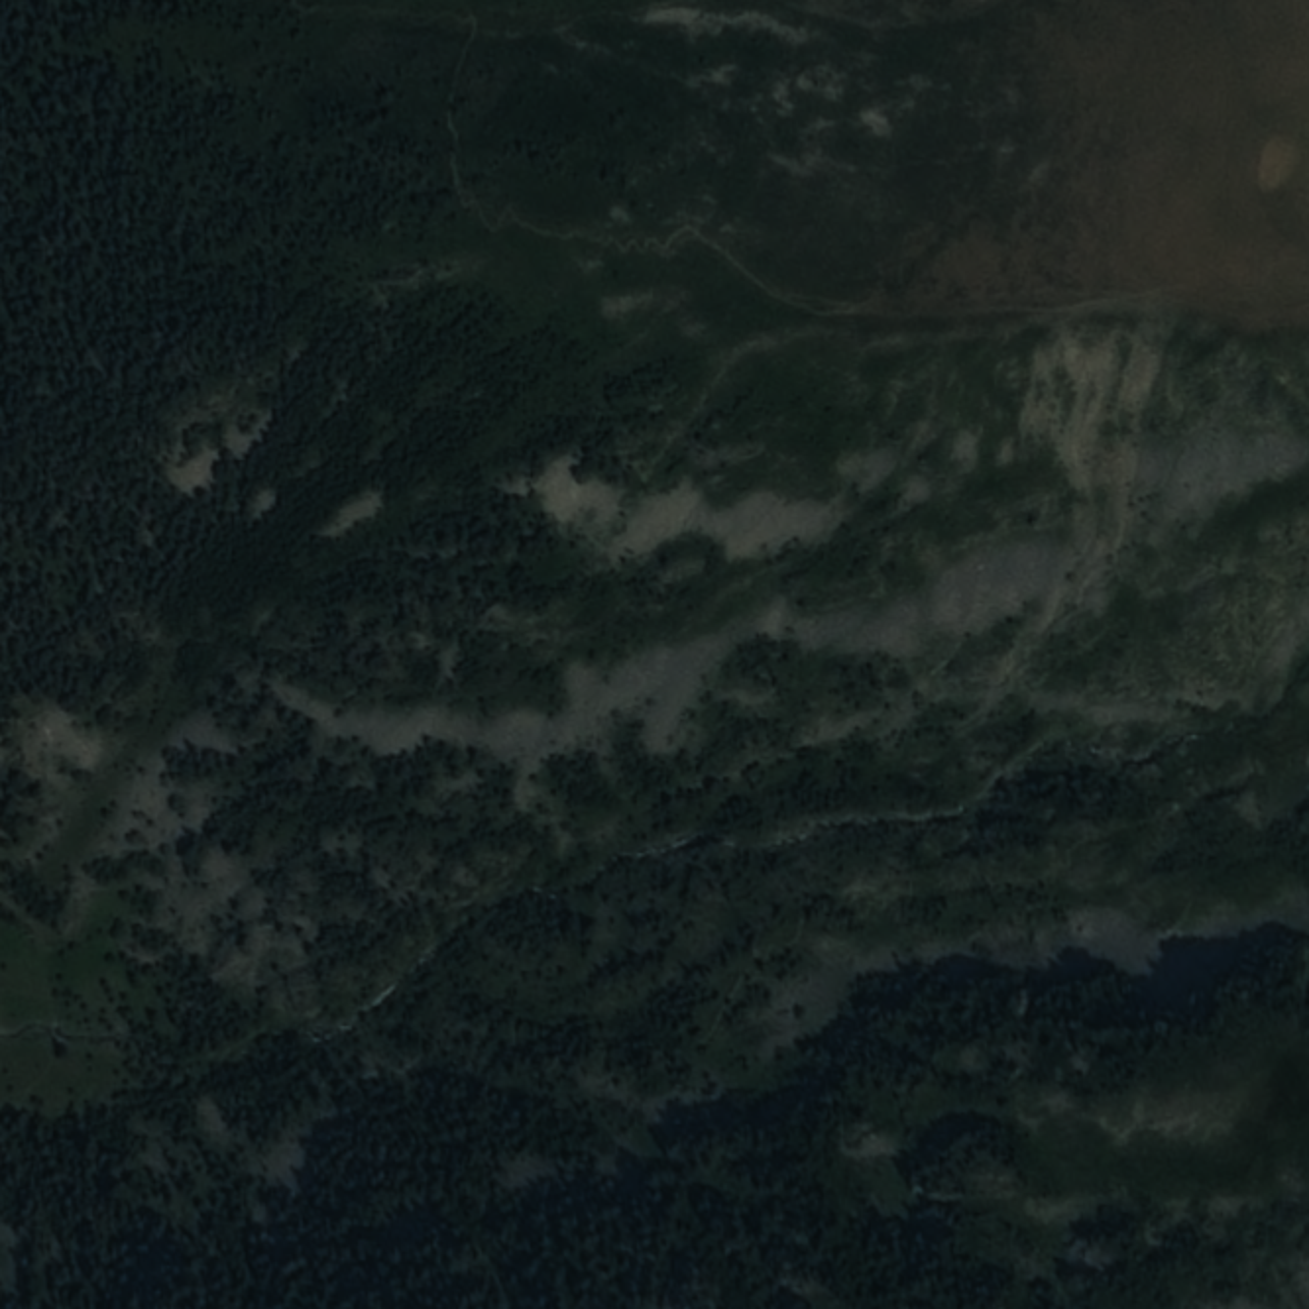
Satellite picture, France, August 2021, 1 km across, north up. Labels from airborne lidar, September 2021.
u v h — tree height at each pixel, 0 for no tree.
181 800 7
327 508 8
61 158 9
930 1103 0
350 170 6
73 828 0
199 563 16
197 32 0
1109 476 0
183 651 9
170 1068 8
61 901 12
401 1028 7
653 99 0
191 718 0
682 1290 6
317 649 11
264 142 0
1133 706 0
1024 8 0
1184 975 0
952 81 0
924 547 0
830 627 0
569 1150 7
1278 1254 0
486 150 0
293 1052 8
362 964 7
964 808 0
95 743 0
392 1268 6
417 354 9
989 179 0
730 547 0
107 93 15
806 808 7
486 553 13
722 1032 0
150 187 7
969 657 0
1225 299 0
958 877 0
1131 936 0
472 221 0
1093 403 0
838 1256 10
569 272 0
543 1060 8
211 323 11
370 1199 11
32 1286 19
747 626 0
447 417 7
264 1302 13
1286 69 0
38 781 7
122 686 7
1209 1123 0
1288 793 0
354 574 8
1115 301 0
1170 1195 0
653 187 0
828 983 0
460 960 9
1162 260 0
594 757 7
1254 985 8
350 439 8
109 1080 0
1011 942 0
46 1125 10
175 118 10
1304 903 0
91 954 0
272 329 9
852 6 0
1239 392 0
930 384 0
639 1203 12
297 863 0
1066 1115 0
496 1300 10
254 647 6
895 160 0
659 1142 0
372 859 13
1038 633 0
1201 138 0
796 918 0
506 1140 7
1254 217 0
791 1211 6
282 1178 0
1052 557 0
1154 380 0
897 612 0
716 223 0
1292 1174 0
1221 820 0
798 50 0
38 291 18
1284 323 0
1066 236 0
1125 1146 0
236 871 0
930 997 9
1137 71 0
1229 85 0
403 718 0
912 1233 9
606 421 7
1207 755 0
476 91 0
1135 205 0
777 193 0
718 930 0
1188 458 0
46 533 19
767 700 0
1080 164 0
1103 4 0
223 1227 11
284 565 8
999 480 0
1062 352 0
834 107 0
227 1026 11
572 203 0
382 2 0
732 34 0
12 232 16
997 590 0
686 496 0
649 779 8
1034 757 0
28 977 0
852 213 0
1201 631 0
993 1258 0
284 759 15
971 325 0
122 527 8
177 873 0
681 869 0
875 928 0
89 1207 21
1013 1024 7
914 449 0
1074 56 0
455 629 6
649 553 0
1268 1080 0
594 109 0
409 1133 12
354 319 11
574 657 0
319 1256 21
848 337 0
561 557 0
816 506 0
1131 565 0
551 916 7
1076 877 0
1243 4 0
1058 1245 0
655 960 10
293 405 16
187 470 0
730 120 0
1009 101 0
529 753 0
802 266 0
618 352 0
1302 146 0
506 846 6
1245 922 0
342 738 9
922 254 0
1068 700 0
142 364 17
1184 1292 0
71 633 19
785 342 0
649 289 0
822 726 0
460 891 7
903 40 0
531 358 6
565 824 8
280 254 7
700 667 0
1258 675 0
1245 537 0
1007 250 0
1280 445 0
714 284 0
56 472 13
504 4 0
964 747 0
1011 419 0
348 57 0
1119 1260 0
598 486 0
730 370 0
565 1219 8
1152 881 0
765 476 0
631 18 0
